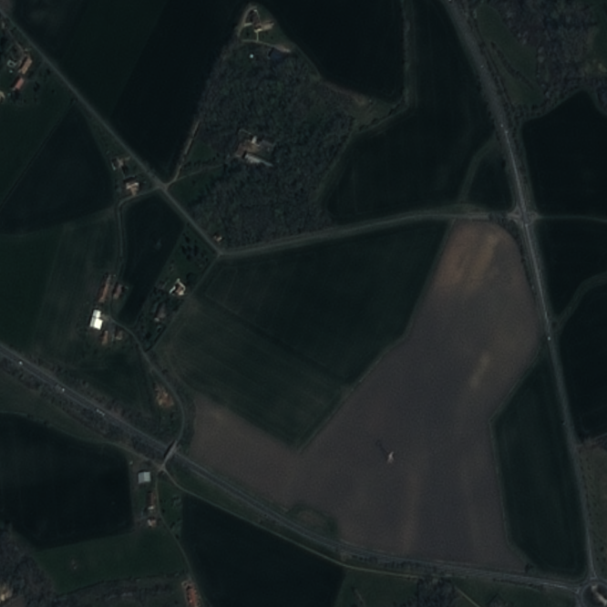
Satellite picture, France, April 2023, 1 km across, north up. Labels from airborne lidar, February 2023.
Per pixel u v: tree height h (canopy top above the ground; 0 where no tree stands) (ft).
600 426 0
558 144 0
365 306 0
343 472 0
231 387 0
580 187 0
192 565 0
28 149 0
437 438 0
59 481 0
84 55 0
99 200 0
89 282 0
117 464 0
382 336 0
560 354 0
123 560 0
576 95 0
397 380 0
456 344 0
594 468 0
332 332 0
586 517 0
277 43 0
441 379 0
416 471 0
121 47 0
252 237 76
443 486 0
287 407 0
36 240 0
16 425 0
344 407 0
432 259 0
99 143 0
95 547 0
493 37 0
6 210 0
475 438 0
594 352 0
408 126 0
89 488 0
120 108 0
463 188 0
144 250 0
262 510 0
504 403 0
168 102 0
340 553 23
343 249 0
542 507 0
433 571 32
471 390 0
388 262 0
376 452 0
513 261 0
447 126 0
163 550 0
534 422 0
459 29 0
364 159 0
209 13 0
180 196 0
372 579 0
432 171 0
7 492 0
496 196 0
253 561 0
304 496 0
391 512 0
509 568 0
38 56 0
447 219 0
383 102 0
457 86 0
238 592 0
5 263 0
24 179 0
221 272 0
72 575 0
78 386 49
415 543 0
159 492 0
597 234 0
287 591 0
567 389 0
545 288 0
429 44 0
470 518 0
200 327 0
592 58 0
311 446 0
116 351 0
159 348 0
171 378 34
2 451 0
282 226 68
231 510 0
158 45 0
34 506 0
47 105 0
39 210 0
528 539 0
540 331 0
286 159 68
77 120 0
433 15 0
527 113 49
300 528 0
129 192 0
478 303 0
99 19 0
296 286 0
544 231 0
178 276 0
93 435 0
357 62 0
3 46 40
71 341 0
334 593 0
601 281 0
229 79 79
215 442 0
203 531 0
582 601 0
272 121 81
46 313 0
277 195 63
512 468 0
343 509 0
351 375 0
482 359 0
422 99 0
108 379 0
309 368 0
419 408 0
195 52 0
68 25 0
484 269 0
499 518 0
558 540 0
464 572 0
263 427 0
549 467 0
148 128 0
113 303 0
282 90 66
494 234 0
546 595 0
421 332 0
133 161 0
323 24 0
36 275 0
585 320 0
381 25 0
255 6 0
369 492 0
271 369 0
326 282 0
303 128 48
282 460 0
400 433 0
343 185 0
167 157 0
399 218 0
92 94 0
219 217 75
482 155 0
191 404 36
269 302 0
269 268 0
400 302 0
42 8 0
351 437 0
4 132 0
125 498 0
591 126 0
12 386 0
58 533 0
